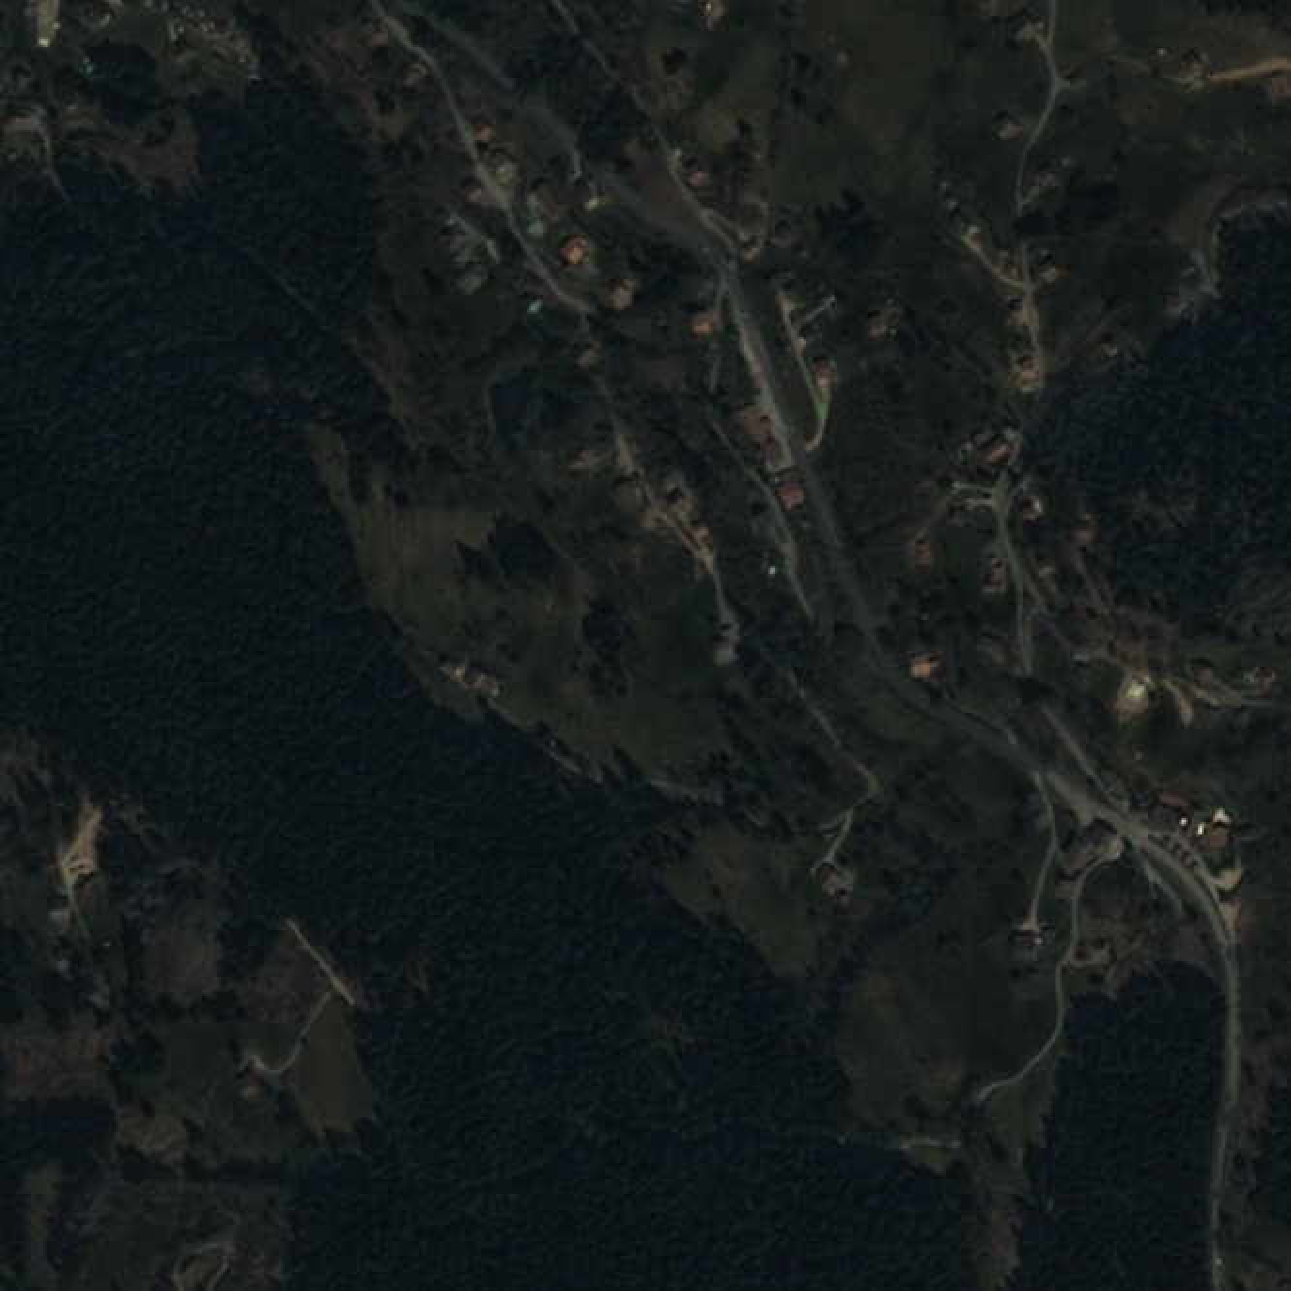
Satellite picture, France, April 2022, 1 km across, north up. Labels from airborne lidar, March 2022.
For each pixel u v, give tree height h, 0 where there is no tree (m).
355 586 31
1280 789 7
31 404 26
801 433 0
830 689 14
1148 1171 29
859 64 0
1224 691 0
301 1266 24
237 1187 20
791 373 0
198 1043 0
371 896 27
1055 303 0
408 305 0
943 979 0
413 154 13
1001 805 0
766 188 0
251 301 39
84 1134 26
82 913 0
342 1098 0
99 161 11
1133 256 0
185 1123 0
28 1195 34
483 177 0
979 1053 0
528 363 20
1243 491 30
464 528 0
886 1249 29
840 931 6
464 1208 30
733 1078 33
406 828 31
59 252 35
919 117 0
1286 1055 7
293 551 36
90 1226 33
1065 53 0
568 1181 28
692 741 0
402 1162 24
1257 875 13
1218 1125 29
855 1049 0
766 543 0
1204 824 0
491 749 25
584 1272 29
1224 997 19
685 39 0
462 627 0
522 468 12
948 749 0
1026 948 0
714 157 0
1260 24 0
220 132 33
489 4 11
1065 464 7
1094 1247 35
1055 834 0
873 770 11
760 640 15
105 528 32
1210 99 0
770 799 16
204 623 34
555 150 0
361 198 21
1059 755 17
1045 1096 0
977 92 0
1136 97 0
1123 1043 29
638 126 24
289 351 8
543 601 0
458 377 14
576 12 13
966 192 0
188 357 0
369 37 0
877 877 0
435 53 18
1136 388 11
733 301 0
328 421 20
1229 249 8
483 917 33
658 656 0
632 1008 0
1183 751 0
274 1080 0
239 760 33
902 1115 0
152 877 32
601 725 0
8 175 0
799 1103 39
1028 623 0
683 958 35
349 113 21
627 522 0
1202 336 8
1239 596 28
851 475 7
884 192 0
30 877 22
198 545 30
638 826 22
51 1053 0
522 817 33
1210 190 0
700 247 0
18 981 9
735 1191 32
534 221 0
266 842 32
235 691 36
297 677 35
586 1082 30
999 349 0
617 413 7
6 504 30
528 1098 35
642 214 0
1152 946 8
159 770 34
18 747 31
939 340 18
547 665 0
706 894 0
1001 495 0
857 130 0
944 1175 0
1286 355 19
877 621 20
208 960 0
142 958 26
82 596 19
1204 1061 29
